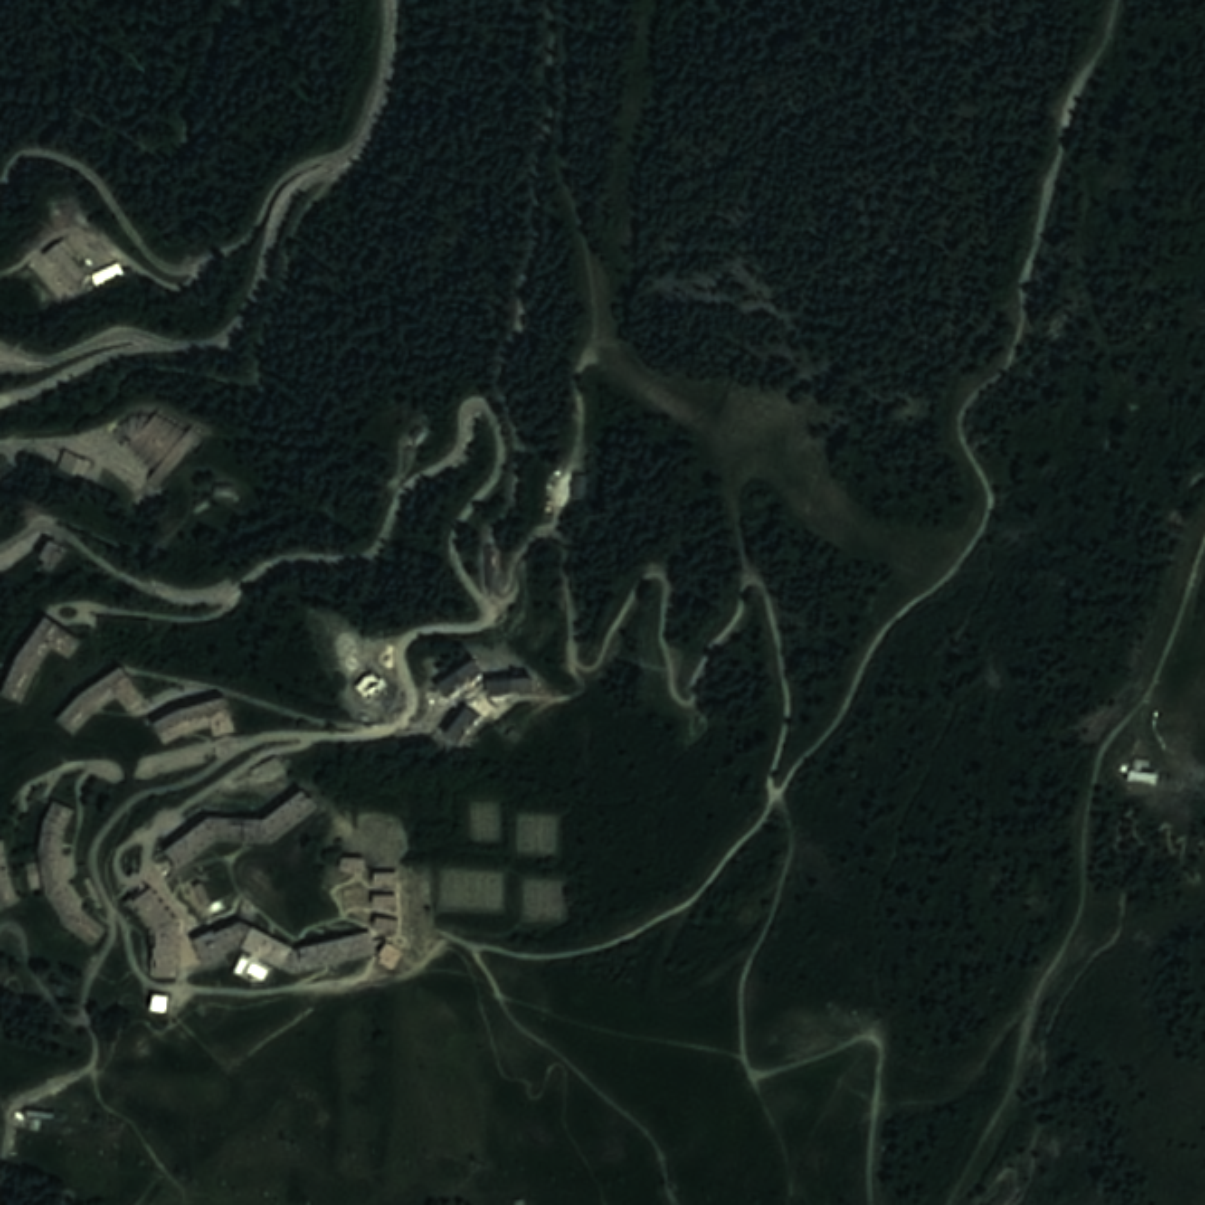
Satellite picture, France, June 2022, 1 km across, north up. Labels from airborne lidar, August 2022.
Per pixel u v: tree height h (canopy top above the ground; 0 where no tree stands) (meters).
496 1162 0
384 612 21
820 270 13
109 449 0
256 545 18
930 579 0
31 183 17
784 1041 0
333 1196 0
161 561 9
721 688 18
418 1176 0
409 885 0
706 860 0
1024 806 18
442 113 23
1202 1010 9
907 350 22
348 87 11
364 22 12
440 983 0
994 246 8
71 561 0
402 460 0
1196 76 10
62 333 14
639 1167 0
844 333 20
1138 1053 0
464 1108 0
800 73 17
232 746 0
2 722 0
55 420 14
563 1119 0
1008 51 19
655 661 0
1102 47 0
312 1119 0
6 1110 0
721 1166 0
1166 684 0
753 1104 0
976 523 0
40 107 10
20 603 7
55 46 28
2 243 7
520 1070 0
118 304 13
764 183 19
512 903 0
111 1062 0
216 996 0
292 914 0
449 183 20
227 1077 0
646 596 21
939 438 20
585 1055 0
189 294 23
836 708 0
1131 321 11
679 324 20
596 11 16
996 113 15
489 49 6
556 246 20
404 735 0
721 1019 0
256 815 0
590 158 21
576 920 10
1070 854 13
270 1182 0
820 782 7
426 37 13
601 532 22
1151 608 9
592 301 0
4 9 30
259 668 11
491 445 10
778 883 0
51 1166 0
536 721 0
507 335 19
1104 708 7
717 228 12
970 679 13
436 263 19
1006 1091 0
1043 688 13
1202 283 6
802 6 26
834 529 0
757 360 15
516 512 11
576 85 18
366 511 19
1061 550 11
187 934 0
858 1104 0
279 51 12
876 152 21
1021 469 18
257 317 22
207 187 9
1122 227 19
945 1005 7
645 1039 0
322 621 0
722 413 0
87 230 0
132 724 0
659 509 14
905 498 16
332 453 20
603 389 11
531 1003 0
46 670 0
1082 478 6
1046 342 6
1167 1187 0
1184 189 10
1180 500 6
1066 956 0
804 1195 0
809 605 18
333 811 0
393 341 23
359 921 0
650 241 14
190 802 0
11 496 18
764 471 0
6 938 0
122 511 7
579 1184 0
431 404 14
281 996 0
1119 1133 10
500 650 0
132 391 7
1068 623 7
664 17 10
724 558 20
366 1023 0
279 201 0
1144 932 0
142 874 0
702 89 16
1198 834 9
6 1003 19
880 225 19
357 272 21
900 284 18
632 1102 0
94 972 0
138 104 32
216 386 9
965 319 15
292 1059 0
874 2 24
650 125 8
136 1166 0
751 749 19
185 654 8
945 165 20
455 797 7
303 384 19
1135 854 9
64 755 0
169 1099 0
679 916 0
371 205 21
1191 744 0
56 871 0
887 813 13
